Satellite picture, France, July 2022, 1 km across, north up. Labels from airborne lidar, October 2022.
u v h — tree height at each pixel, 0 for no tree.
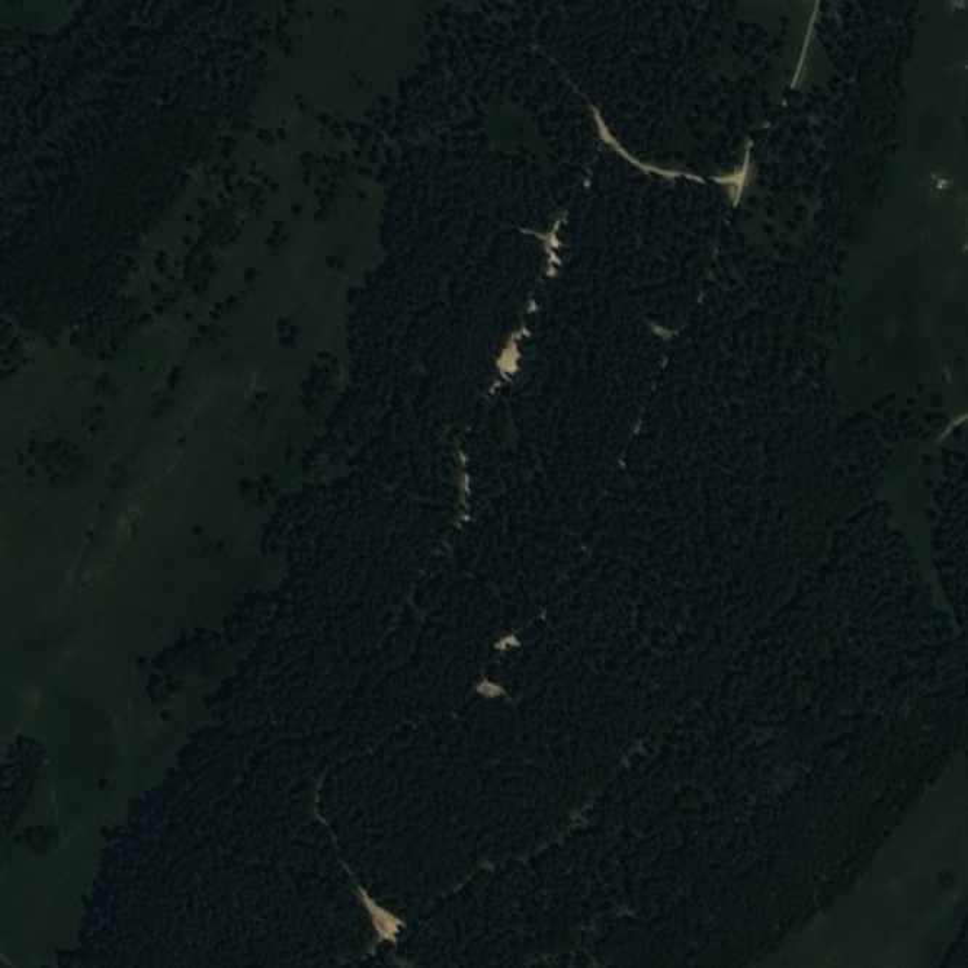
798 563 18
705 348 22
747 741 28
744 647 16
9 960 0
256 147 0
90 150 23
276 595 0
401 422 23
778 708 14
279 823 28
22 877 0
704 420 21
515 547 27
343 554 13
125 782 0
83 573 0
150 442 0
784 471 21
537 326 28
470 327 16
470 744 27
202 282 13
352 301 12
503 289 17
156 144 20
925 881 0
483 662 23
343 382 0
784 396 26
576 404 22
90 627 0
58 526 0
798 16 0
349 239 0
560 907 19
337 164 14
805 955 0
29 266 20
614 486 21
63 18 0
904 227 0
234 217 17
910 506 0
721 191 24
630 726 10
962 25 0
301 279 0
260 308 0
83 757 0
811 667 19
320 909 20
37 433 5
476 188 23
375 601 18
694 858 20
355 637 17
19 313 15
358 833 24
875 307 0
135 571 0
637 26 25
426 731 23
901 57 13
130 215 21
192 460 0
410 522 18
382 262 0
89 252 15
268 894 18
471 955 18
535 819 22
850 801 17
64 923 0
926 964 0
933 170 0
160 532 0
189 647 18
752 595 17
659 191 31
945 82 0
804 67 0
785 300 18
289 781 20
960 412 0
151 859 31
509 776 15
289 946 22
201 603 0
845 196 15
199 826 25
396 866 20
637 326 26
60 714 0
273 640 23
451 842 14
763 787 22
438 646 27
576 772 18
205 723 0
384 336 19
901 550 20
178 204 10
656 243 25
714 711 28
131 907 30
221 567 0
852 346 0
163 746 0
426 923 25
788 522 14
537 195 28
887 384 0
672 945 20
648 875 25
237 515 0
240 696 25
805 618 23
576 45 23
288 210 0
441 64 24
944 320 0
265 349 0
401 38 0
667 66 30
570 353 26
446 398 15
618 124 26
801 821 21
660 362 19
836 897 26
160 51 33
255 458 0
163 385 0
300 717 23
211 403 0
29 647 0
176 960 9
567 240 28
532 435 20
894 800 21
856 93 18
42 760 20
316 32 0
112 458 0
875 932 0
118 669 0
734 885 21
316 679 21
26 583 0
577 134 25
